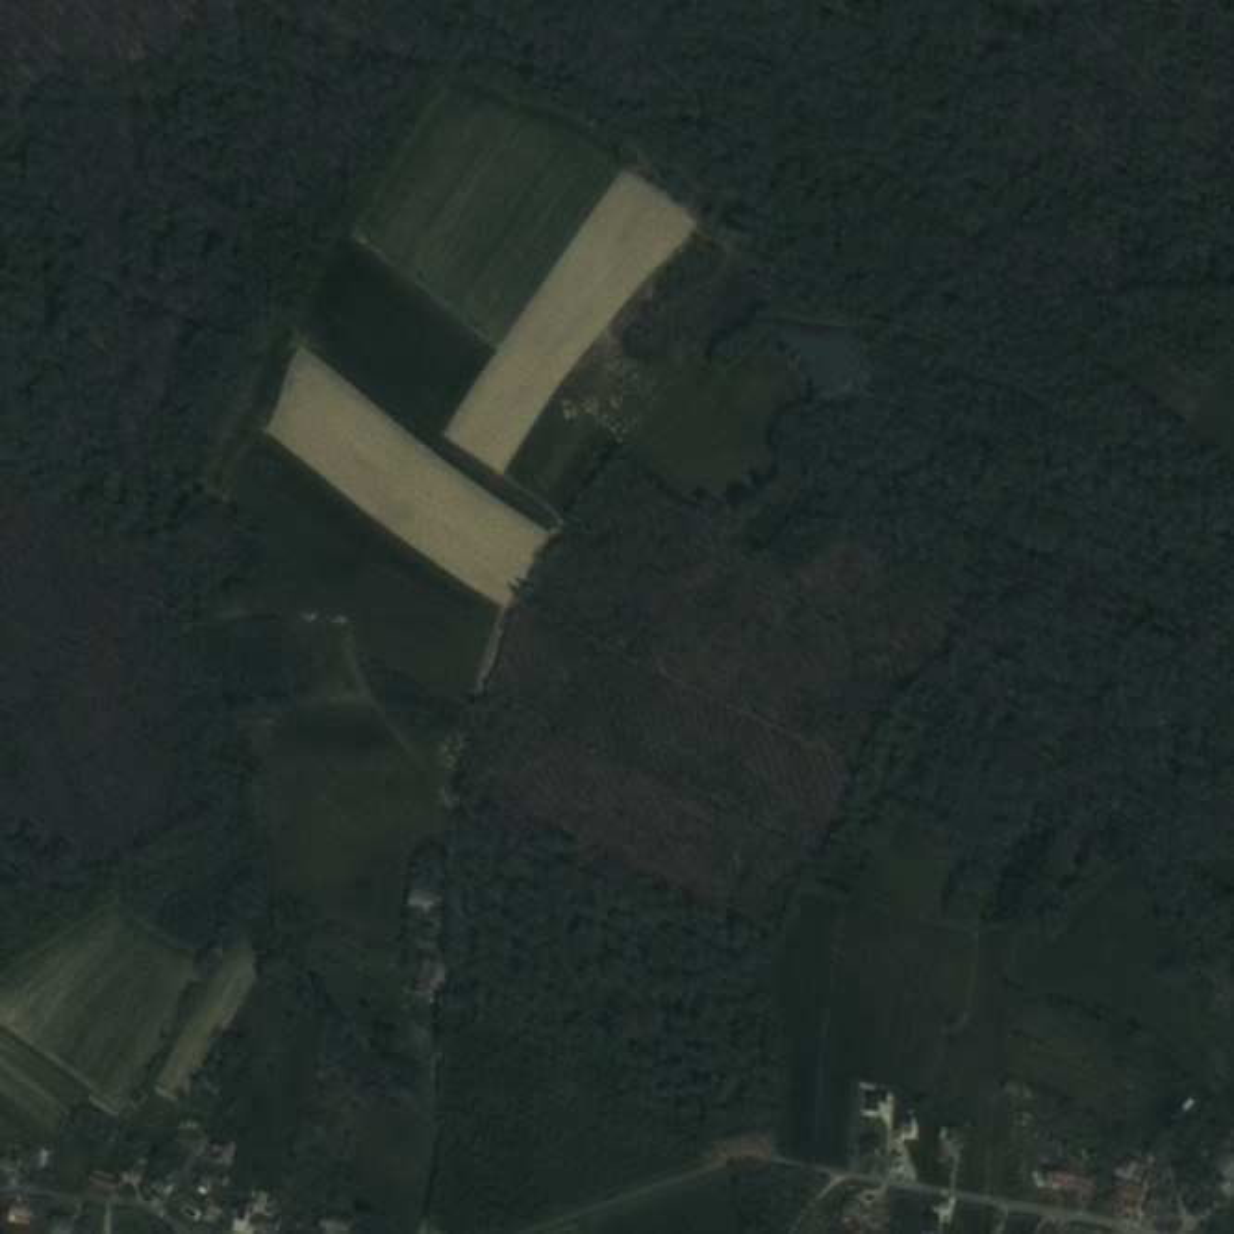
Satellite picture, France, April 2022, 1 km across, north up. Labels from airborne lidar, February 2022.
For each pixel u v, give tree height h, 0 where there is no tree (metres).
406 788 0
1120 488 29
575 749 12
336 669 0
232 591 19
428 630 0
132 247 26
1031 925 0
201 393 25
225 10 30
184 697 15
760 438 0
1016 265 25
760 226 26
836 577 16
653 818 14
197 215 28
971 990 0
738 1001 23
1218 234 25
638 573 12
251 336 25
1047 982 0
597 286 0
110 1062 0
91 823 15
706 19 29
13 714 14
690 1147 8
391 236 0
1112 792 25
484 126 0
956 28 24
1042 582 27
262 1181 0
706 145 22
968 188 24
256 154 28
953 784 21
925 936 0
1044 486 29
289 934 7
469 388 0
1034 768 22
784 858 13
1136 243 18
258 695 24
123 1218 0
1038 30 22
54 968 0
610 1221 0
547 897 30
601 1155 6
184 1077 0
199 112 28
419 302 0
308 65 29
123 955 0
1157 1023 0
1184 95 19
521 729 13
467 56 28
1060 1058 0
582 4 27
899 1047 0
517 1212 8
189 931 10
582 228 0
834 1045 0
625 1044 22
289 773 0
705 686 12
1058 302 27
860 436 22
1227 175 19
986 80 25
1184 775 21
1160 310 26
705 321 0
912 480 23
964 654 20
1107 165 23
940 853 0
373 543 0
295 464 0
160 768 15
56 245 22
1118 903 0
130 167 29
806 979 0
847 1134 0
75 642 16
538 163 0
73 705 17
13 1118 0
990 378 22
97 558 15
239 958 0
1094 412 28
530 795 14
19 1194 0
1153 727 31
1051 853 10
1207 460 24
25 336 27
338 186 20
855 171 22
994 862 17
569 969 13
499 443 0
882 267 27
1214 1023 0
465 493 0
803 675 14
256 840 8
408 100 23
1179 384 0
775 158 22
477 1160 10
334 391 0
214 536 15
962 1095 0
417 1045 0
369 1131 0
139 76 27
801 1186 12
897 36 27
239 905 28
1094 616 33
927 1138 0
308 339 0
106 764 15
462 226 0
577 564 15
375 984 0
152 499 13
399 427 0
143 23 29
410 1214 0
